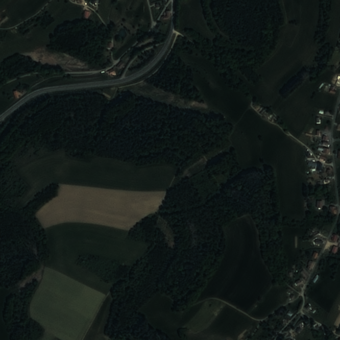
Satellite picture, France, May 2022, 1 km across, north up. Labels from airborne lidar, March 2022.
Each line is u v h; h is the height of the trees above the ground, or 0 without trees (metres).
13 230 17
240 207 15
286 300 0
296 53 0
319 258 0
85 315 0
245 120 0
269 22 17
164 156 12
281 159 0
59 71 24
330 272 0
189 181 16
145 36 23
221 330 0
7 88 0
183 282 22
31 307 0
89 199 0
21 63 18
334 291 0
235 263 0
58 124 12
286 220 7
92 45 20
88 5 0
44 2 0
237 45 8
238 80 18
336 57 0
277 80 0
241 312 0
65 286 0
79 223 0
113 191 0
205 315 0
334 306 0
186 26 0
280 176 0
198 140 30
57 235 0
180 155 10
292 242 0
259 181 25
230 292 0
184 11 0
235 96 0
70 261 0
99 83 0
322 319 0
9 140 19
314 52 0
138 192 0
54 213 0
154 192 0
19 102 0
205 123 26
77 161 0
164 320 0
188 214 9
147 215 0
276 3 20
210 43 14
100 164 0
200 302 0
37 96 0
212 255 26
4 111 0
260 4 16
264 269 0
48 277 0
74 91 0
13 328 7
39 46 0
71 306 0
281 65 0
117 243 0
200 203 6
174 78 11
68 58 0
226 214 21
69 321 0
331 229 0
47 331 0
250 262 0
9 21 0
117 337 23
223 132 28
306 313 0
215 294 0
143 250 0
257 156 0
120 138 21
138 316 20
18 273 9
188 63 0
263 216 28
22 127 16
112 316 15
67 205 0
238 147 0
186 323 0
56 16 0
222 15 10
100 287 0
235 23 10
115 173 0
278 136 0
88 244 0
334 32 0
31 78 0
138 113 22
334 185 0
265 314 0
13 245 14
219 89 0
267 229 20
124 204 0
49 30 0
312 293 0
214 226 19
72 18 0
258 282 0
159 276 8
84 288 0
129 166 0
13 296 14
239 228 0
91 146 16
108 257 0
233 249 0
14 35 0
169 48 0
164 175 0
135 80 0
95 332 0
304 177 0
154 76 8
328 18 10
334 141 0
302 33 0
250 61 18
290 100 0
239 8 15
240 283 0
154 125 10
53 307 0
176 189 14
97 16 0
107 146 24
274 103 0
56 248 0
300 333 0
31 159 0
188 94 20
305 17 0
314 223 6
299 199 0
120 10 0
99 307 0
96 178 0
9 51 0
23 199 0
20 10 0
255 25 17
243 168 0
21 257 16
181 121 23
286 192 0
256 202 25
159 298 0
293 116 0
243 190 32
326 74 0
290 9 0
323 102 0
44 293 0
